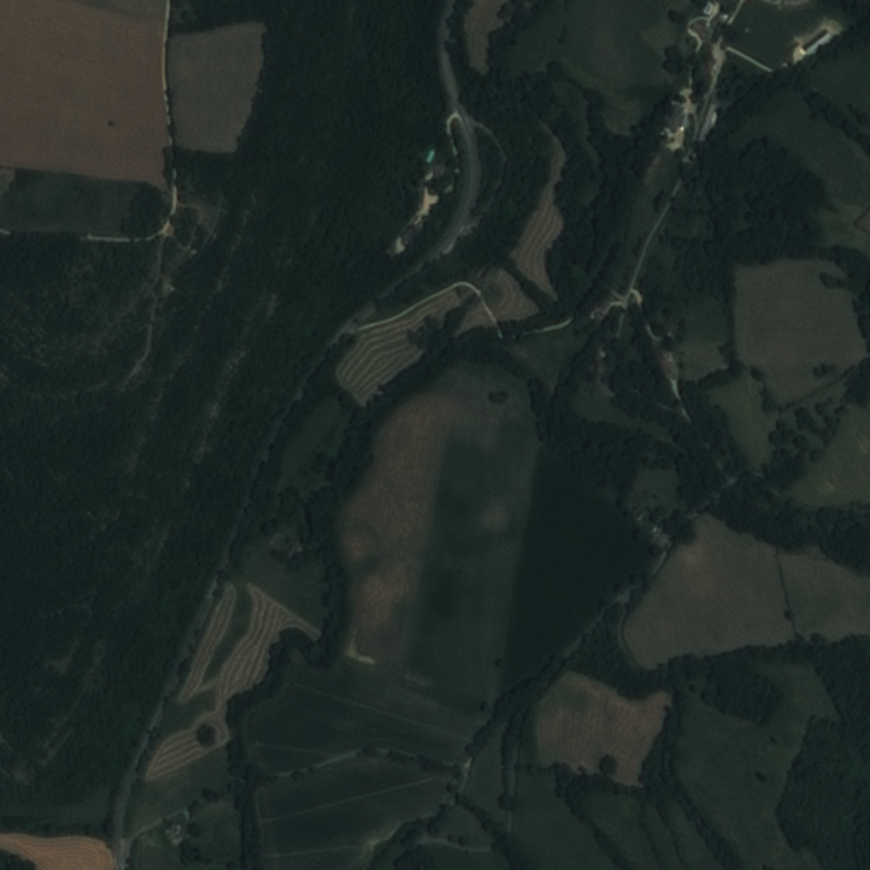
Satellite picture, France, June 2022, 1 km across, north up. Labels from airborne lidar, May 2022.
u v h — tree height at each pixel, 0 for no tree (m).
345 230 9
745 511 12
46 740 7
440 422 0
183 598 12
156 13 0
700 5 11
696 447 15
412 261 11
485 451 0
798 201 24
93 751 12
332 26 8
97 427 10
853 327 0
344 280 16
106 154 0
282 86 10
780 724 0
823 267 0
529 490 0
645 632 0
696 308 0
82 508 10
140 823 0
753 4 0
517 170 12
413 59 19
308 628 0
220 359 9
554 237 0
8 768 6
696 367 0
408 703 0
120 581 8
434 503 0
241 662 0
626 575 0
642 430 12
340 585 15
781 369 0
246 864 20
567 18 0
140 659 9
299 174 7
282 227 9
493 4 0
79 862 0
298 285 15
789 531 9
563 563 0
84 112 0
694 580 0
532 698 14
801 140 0
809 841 9
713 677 20
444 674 0
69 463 10
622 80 0
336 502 14
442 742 0
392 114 18
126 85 0
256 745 0
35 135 0
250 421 16
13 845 0
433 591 0
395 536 0
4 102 0
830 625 0
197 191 7
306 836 0
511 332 9
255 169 11
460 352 17
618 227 13
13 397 7
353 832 0
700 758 0
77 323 6
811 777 10
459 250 7
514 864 16
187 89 0
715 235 7
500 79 16
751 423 0
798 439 11
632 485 9
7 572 11
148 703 11
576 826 0
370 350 0
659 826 0
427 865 15
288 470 0
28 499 8
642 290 7
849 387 7
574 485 0
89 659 8
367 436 18
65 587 11
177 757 0
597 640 8
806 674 0
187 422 10
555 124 21
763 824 0
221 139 0
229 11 11
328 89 6
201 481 16
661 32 0
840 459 0
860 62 0
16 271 9
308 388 15
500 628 0
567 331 0
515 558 0
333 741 0
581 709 0
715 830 9
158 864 0
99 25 0
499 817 0
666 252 0
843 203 0
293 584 0
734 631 0
